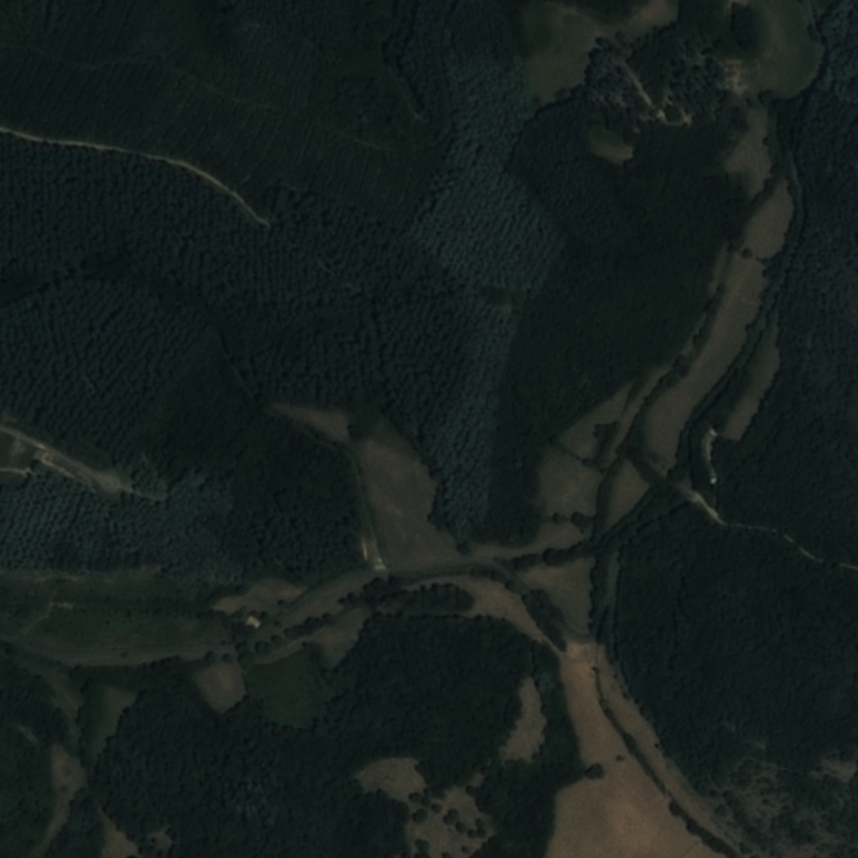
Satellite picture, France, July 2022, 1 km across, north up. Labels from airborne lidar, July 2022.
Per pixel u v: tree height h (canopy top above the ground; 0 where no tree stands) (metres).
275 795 17
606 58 28
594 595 17
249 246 29
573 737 19
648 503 8
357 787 9
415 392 35
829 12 11
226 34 6
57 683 0
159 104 7
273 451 12
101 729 0
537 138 33
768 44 0
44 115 9
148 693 17
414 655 14
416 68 33
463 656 19
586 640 0
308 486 8
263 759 13
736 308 0
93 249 36
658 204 20
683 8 13
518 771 13
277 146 7
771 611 11
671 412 0
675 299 17
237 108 8
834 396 6
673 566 14
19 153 27
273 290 28
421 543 0
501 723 8
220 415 8
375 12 23
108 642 0
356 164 6
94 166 34
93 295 41
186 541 25
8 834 12
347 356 39
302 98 9
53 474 20
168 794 13
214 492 18
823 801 8
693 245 16
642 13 0
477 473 25
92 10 11
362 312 32
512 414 18
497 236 22
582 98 14
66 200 27
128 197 37
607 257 17
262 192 6
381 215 9
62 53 11
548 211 22
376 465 0
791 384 13
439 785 8
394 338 26
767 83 0
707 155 17
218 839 10
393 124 25
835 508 10
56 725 12
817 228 19
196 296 16
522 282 21
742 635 12
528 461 25
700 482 24
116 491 0
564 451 6
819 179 23
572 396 14
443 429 32
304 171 6
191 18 8
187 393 9
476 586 0
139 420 31
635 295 17
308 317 22
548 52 0
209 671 0
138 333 30
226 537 29
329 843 5
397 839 6
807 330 10
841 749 11
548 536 0
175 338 30
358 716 8
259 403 19
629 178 18
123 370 34
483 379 18
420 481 0
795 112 14
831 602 14
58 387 25
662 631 19
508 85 23
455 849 0
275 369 27
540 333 17
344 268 26
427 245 21
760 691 16
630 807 0
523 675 15
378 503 0
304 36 17
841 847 8
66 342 29
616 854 0
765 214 0
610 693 0
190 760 12
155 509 16
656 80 17
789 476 11
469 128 14
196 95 8
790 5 0
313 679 0
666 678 15
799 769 10
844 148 22
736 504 11
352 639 0
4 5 15
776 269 11
